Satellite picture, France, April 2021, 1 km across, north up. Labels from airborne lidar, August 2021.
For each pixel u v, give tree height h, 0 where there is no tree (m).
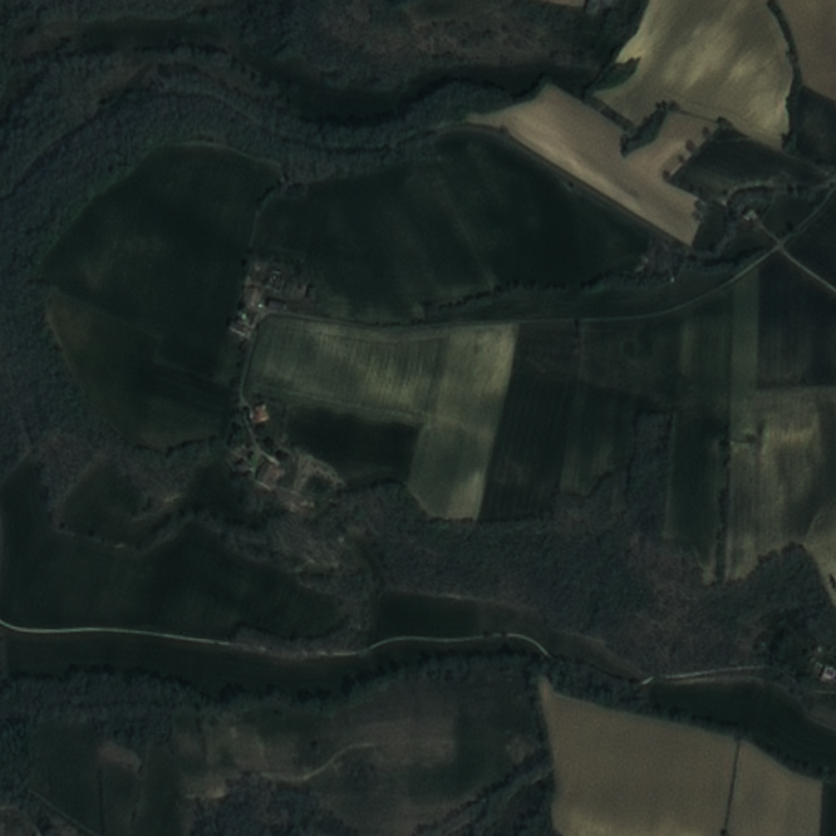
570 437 0
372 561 0
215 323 0
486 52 0
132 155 15
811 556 12
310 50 22
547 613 21
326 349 0
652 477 14
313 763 0
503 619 0
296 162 13
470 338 0
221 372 0
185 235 0
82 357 0
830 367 0
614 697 29
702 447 0
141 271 0
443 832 9
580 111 0
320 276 0
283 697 19
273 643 22
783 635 9
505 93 17
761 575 14
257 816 18
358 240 0
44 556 0
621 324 0
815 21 0
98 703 19
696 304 0
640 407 0
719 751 0
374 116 0
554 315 0
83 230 0
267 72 0
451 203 0
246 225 0
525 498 0
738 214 12
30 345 16
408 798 0
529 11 18
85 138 20
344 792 0
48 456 16
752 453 0
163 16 21
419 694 0
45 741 0
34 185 22
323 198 0
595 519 13
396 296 0
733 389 0
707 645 8
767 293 0
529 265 0
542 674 28
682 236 0
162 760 0
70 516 0
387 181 0
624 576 16
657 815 0
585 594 21
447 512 0
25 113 27
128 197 0
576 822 0
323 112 0
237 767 0
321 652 16
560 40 0
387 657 0
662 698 0
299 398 0
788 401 0
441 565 13
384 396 0
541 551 21
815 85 0
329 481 0
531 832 14
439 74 0
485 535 23
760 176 0
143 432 0
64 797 0
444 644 0
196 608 0
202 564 0
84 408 19
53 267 0
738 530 0
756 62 0
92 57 16
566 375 0
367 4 0
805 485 0
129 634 0
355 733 0
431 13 0
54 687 23
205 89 25
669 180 11
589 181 0
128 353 0
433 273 0
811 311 0
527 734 0
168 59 0
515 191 0
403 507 21
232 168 0
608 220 0
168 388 0
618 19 12
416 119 22
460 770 0
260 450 0
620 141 0
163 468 16
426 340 0
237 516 0
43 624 0
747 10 0
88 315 0
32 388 16
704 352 0
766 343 0
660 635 6
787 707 0
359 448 0
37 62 19
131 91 7
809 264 0
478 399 0
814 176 0
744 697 0
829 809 0
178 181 0
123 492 0
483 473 0
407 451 0
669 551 9
